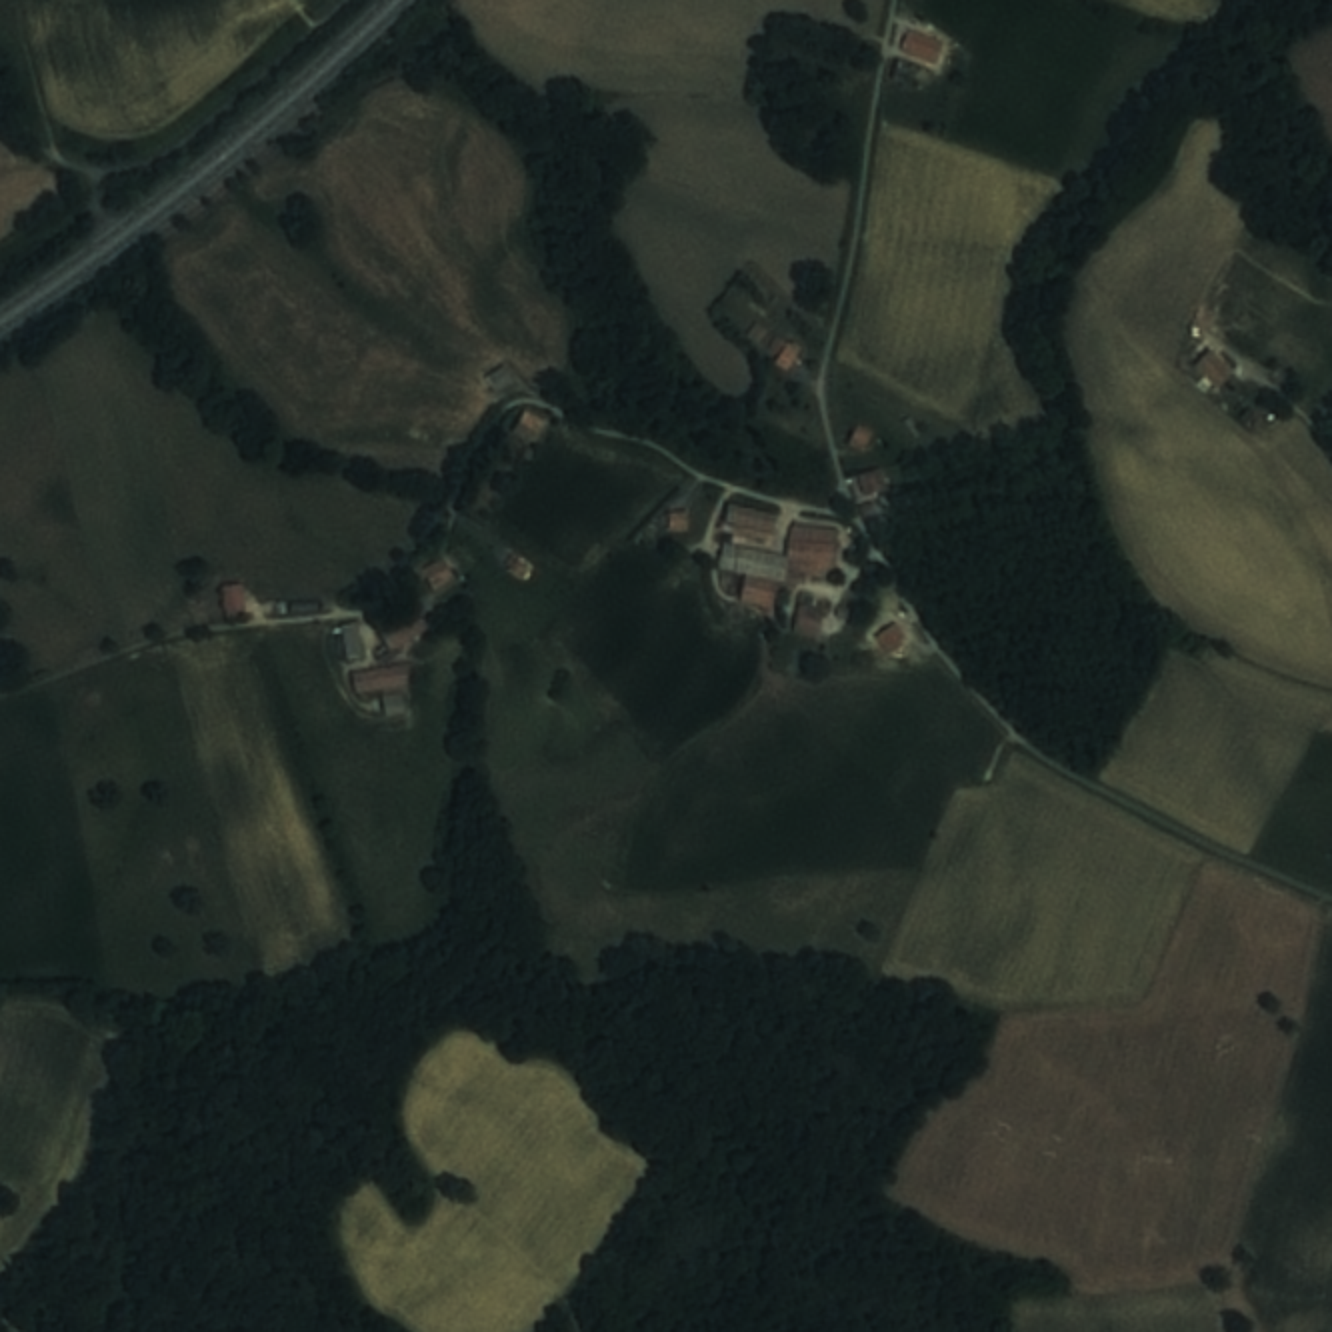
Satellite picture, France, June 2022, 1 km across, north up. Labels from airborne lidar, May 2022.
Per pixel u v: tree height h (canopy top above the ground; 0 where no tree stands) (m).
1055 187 0
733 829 0
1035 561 24
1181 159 0
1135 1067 0
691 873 0
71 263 0
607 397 19
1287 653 0
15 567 19
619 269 19
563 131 25
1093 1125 0
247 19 0
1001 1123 0
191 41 0
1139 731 0
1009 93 0
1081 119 0
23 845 0
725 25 0
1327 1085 0
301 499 0
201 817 0
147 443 0
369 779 0
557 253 23
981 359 0
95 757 0
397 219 0
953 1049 23
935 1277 13
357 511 0
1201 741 0
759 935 0
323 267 0
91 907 0
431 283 0
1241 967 0
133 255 12
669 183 0
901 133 0
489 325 0
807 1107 12
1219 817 0
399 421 0
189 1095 19
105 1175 26
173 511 0
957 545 22
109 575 0
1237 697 0
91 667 0
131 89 0
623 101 0
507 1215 0
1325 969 0
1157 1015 0
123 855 0
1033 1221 0
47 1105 0
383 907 0
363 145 0
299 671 0
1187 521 0
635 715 0
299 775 0
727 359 0
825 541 0
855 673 0
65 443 0
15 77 20
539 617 0
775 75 22
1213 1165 0
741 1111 20
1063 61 0
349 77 10
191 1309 22
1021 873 0
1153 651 27
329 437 0
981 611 6
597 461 0
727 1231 8
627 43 0
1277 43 20
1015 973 0
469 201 0
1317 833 0
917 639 0
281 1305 24
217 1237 27
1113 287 0
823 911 0
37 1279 22
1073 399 19
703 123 0
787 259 0
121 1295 11
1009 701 18
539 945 21
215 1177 19
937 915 0
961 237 0
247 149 0
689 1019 17
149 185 14
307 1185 25
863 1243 19
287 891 0
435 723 0
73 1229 25
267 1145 17
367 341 0
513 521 0
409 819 0
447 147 0
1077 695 24
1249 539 0
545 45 0
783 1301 12
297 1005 20
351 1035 22
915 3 0
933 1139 0
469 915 20
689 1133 23
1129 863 0
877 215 0
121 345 0
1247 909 0
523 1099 0
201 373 22
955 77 9
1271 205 22
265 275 0
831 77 20
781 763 0
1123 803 0
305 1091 22
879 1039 20
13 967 0
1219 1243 0
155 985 0
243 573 0
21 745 0
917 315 0
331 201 0
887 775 0
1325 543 0
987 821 0
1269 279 0
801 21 16
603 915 0
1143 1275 0
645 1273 6
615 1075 26
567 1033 24
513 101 23
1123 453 0
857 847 0
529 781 0
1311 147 18
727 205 0
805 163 22
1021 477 26
